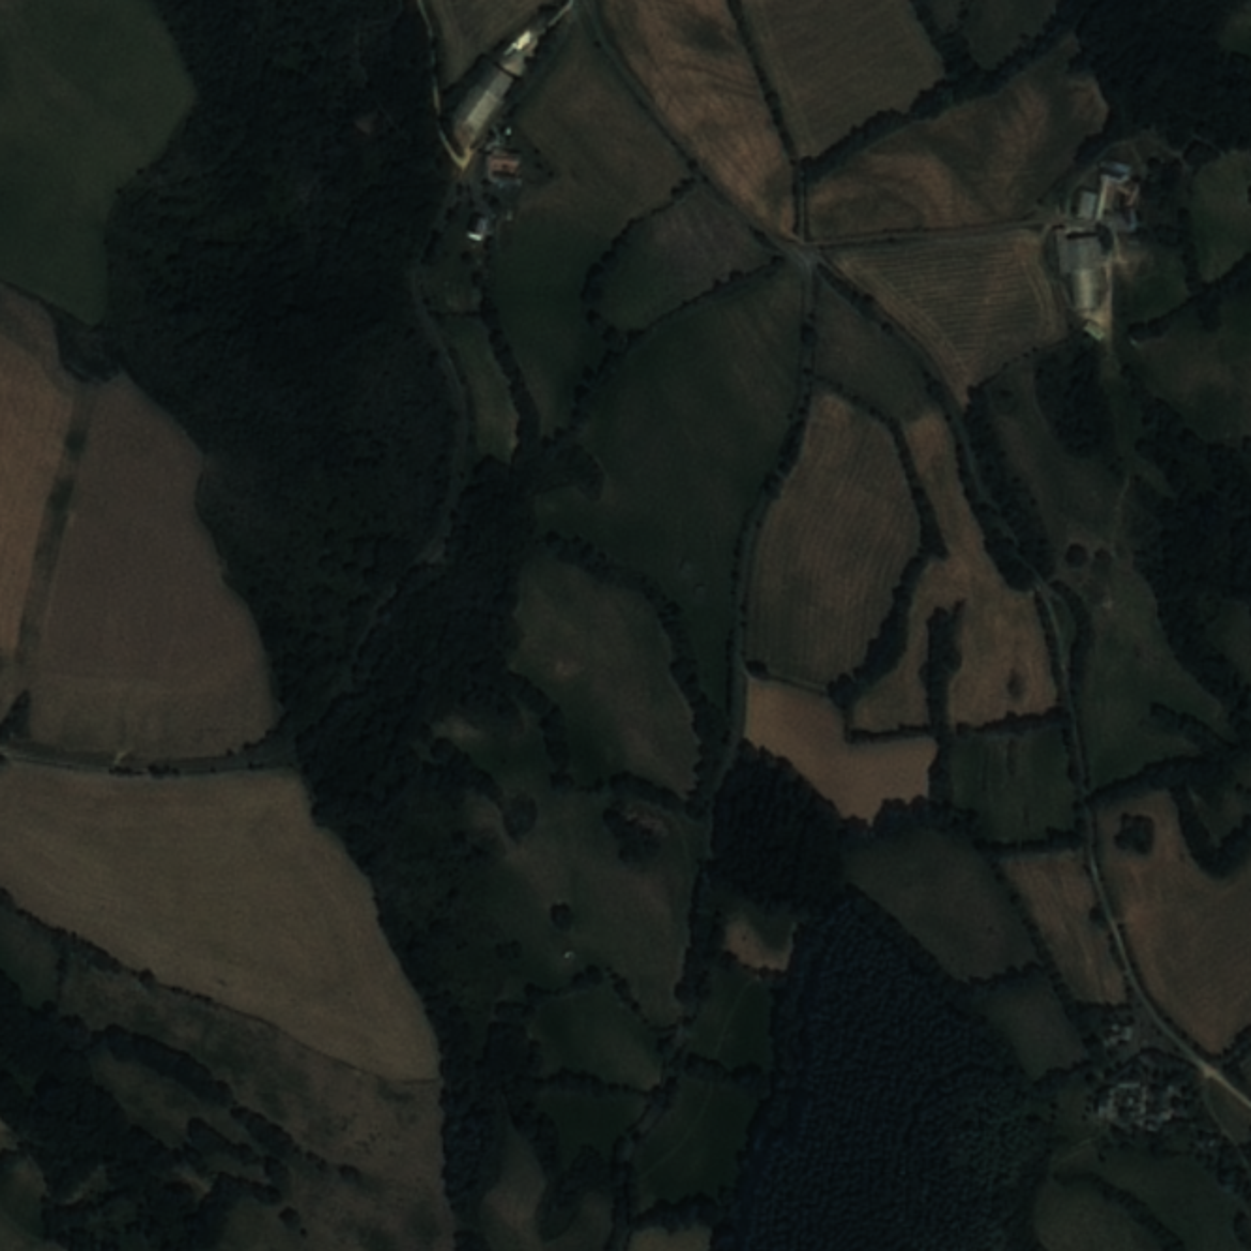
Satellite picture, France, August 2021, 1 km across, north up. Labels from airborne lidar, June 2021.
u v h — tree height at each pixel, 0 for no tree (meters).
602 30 0
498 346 11
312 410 7
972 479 11
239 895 0
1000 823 0
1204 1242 0
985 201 0
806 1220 31
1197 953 0
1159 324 8
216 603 0
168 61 0
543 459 12
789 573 0
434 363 8
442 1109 7
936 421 0
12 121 0
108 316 0
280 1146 20
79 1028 18
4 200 0
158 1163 26
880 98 0
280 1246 0
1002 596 0
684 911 0
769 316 0
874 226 0
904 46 0
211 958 0
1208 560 18
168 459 0
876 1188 28
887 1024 33
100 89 0
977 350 0
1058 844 16
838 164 9
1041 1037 0
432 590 11
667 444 0
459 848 15
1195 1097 9
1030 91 0
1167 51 14
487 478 14
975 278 0
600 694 0
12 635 0
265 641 8
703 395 0
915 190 0
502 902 0
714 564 0
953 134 0
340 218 7
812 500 0
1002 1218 20
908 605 13
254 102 13
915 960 11
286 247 14
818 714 0
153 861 0
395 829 9
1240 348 0
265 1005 0
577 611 0
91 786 0
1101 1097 12
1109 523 0
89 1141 20
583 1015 0
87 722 0
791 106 0
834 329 0
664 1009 0
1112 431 9
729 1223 8
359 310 11
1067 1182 6
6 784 0
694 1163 0
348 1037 0
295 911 0
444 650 16
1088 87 0
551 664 0
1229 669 15
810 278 0
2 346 0
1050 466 0
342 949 0
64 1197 17
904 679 0
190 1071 20
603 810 0
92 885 0
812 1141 32
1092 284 0
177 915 0
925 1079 31
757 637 0
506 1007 11
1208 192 0
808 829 21
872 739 12
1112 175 0
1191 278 6
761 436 0
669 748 0
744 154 0
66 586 0
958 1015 19
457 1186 25
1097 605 0
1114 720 0
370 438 7
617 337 15
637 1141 12
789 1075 17
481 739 0
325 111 9
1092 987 0
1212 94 18
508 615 6
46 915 0
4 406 0
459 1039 12
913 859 0
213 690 0
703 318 0
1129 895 0
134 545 0
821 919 16
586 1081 13
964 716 0
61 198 0
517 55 0
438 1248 0
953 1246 20
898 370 0
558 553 8
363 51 7
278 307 17
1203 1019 0
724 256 0
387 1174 0
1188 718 8
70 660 0
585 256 0
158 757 0
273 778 0
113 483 0
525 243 0
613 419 0
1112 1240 0
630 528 0
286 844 0
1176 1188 0
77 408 0
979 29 0
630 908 0
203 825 0
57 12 0
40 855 0
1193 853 6
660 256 0
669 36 0
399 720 10
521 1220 0
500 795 10
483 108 0
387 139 8
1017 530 8
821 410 0
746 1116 0
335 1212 0
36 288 0
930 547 9
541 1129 10
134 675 0
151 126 0
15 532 0
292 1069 0
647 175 0
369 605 11
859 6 0
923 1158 26
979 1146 14
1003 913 0
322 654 12
